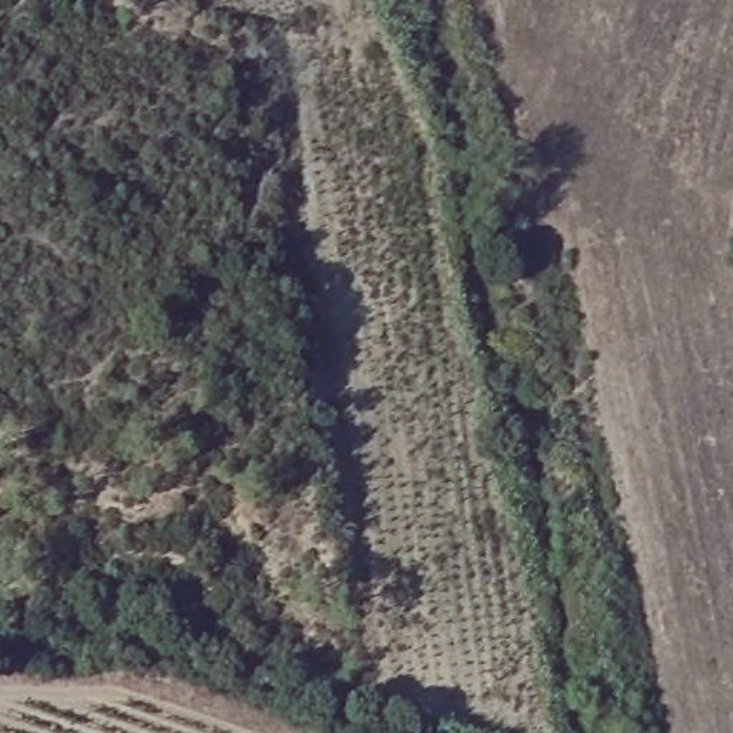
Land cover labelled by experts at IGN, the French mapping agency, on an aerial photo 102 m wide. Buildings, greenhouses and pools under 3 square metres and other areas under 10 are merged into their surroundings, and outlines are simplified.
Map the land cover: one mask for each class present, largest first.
<instances>
[{"label":"brushwood","instance_id":"1","mask_svg":"<svg viewBox=\"0 0 733 733\"><path fill-rule=\"evenodd\" d=\"M318 26H329L332 49H349L352 69H361V63L367 60V43H372L378 26H387V31L401 46V63L412 86L427 97L429 126L438 137L441 172L447 178L450 172L470 175L472 166H487L513 155V172L507 186L495 195V209L501 235H507L515 243V252L521 258V278L515 281V286H510L507 298L492 301L475 269L472 249L461 252L452 263L461 272L470 326L478 338L475 352L484 361V392L492 404V418L478 424L475 429L478 452L492 458V470H487V475L490 481H498L504 495V504H498L495 510L472 515L475 541H492V564H481V576H495L501 627L524 624V618H533V630L553 670L550 733H659L653 713L641 707V696L647 687L644 679L653 673L659 676V670L653 656V633L644 613L641 578L630 581L621 576V553L630 550V535L624 530V515H618L621 495L613 478L610 450L596 424L598 404L593 372L598 352L584 344V312L573 281L578 266V249H567L553 226L538 223L527 229V218L515 215L527 200L535 198V189L530 183L535 178V160L530 155L533 143H524L518 137L515 109L521 97L513 94V89L498 74L504 52L495 40V23L492 14L484 9V0H0V593L6 598H14L34 590L37 584L29 578L31 570L46 573V587L57 581L66 584L72 573L89 578L92 570L115 576L117 584H137V596L146 587L160 584L169 590V604L183 633L212 636L218 644L223 641L235 653L238 681H249L255 670L272 656V644H278L286 653V659L301 661L312 681L324 679L332 696L346 699L355 687L369 684L375 687V693L387 699H404L418 713V733H527L521 727H510L504 722H492L475 713L461 687H427L415 676H395L389 681H381L378 667L384 650L367 647L364 636L367 604L372 601V581L346 584L352 561L344 555V550L352 538V524L341 515V495L335 492V455L315 432H309L312 421L332 424L335 409L321 401H309L304 387L301 349L304 335L309 332L306 295L289 278L269 272V263L278 252L275 235L272 229L258 226L261 215H281V180L278 175L266 172L258 183L255 206L249 209V215H243L238 195L241 178L249 175V169L241 160H232L220 152L229 135L255 137L263 132V112H258L255 106L269 94L272 83L269 77H261V66L252 57H266V46H261V40L272 29L286 40L289 31L315 34Z\"/></svg>","mask_w":733,"mask_h":733},{"label":"vineyard","instance_id":"2","mask_svg":"<svg viewBox=\"0 0 733 733\"><path fill-rule=\"evenodd\" d=\"M329 26H318L315 34L289 31L286 40L272 29L261 40V46H266V57H252L261 66V77H269L272 83L269 94L255 106L258 112H263V132L255 137L229 135L220 152L232 160H241L249 169V175L241 178L238 195L243 215H249V209L255 206L258 183L266 172L278 175L281 180V215H261L258 226L272 229L275 235L278 252L269 263V272L289 278L306 295L309 332L304 335L301 349L304 387L309 401H321L335 409L332 424L312 421L309 432H315L335 455V492L341 495V515L352 524V538L344 550V555L352 561L346 584L372 581V601L367 604L364 636L367 647L384 650L378 667L381 681H389L395 676H415L427 687H461L475 713L492 722H504L510 727H521L527 733H550L553 670L533 630V618H524V624L501 627L495 576H481V564H492V541H475L472 515L495 510L498 504H504V495L498 481H490L487 475V470H492V458L478 452L475 429L478 424L492 418V404L484 392V361L475 352L478 338L470 326L461 272L452 263L450 241L444 232V220L450 215L444 212L441 195V180L447 178L441 172L438 137L429 126L427 97L412 86L401 63V46L387 31V26H378L372 43H367V60L361 63V69H352L349 49H332ZM0 733H312L295 730L272 713L255 710L243 702L212 696L206 687H192L189 681H180L175 676H137L129 670H112L92 679L40 681L20 673L0 676Z\"/></svg>","mask_w":733,"mask_h":733},{"label":"agricultural land","instance_id":"3","mask_svg":"<svg viewBox=\"0 0 733 733\"><path fill-rule=\"evenodd\" d=\"M484 9L492 14L495 23V40L504 52L498 74L513 89V94L521 97L515 109L518 137L524 143H533L530 155L535 160V178L530 183L535 189V198L527 200L515 215L527 218V229L538 223L553 226L567 249H578V266L573 281L584 312V344L598 352L593 372L598 404L596 424L610 450L613 478L621 495L618 515H624V530L630 535V550L621 553V576L630 581L641 578L644 613L653 633V656L659 670V676L653 673L644 679L647 687L641 696V707L653 713L659 733H733V0H484Z\"/></svg>","mask_w":733,"mask_h":733},{"label":"deciduous trees","instance_id":"4","mask_svg":"<svg viewBox=\"0 0 733 733\"><path fill-rule=\"evenodd\" d=\"M513 172V155L487 166H472L470 175L450 172L447 178L441 180V195L444 212L450 215L444 220V232L450 241L452 263L461 252L472 249L475 269L492 301L507 298L510 286H515V281L521 278V258L515 252V243L507 235H501L495 209V195L507 186ZM29 578L37 584L34 590L14 598H6L0 593V676L20 673L40 681L92 679L112 670H129L137 676H175L180 681H189L192 687H206L212 696L243 702L255 710L272 713L295 730L312 733H418V713L404 699H387L375 693V687L369 684L355 687L346 699L332 696L324 679L312 681L301 661L286 659V653L278 644H272V656L255 670L249 681H238L235 653L223 641L218 644L212 636L183 633L169 604V590L160 584L146 587L137 596V584H117L115 576L92 570L89 578L72 573L66 584L57 581L46 587V573L31 570Z\"/></svg>","mask_w":733,"mask_h":733}]
</instances>
